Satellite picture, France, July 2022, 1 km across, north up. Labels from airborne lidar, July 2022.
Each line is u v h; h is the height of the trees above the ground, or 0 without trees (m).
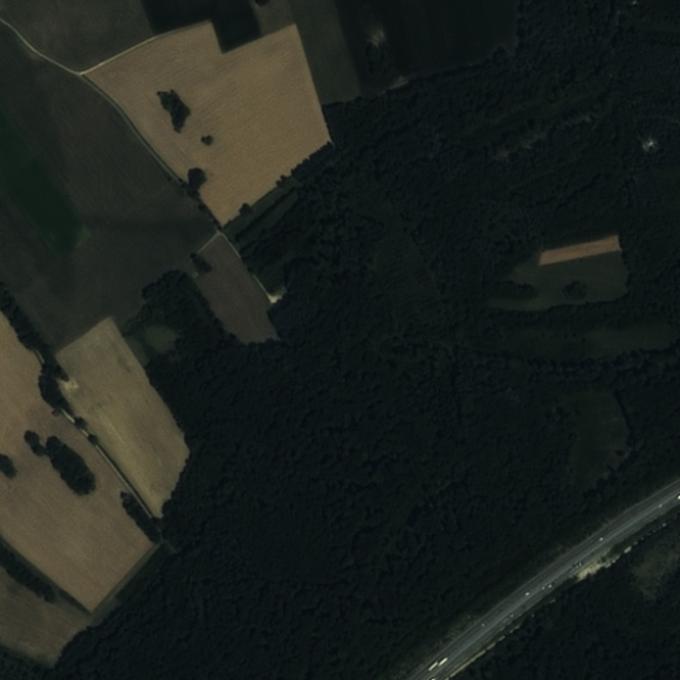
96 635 15
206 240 0
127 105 0
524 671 28
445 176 30
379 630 21
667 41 7
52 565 0
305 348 24
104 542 0
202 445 6
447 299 10
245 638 29
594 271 0
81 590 0
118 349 0
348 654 25
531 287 15
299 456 25
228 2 0
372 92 0
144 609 17
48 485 0
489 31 0
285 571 23
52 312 0
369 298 27
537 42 17
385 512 24
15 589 0
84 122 0
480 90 22
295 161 0
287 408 26
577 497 29
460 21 0
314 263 20
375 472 33
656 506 0
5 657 11
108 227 0
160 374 14
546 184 9
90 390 0
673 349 13
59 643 0
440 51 0
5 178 0
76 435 0
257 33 0
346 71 0
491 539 24
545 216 16
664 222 11
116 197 0
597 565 0
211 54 0
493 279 17
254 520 19
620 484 21
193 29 0
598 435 0
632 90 18
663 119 11
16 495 0
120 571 0
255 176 0
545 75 22
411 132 26
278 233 9
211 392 21
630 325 12
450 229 14
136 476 0
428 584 26
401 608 22
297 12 0
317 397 27
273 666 28
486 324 19
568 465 30
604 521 7
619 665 24
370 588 27
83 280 0
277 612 33
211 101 0
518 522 31
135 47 0
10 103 0
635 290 20
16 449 0
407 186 21
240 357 25
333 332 28
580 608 30
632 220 9
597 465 0
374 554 19
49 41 0
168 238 0
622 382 31
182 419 6
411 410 27
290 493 26
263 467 25
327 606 27
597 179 17
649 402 33
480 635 0
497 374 32
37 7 0
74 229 0
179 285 20
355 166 14
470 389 29
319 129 0
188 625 20
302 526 21
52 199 0
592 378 33
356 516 28
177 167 0
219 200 0
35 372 0
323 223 19
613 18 17
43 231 0
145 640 25
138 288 0
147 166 0
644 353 21
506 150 19
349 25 0
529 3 13
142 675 29
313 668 30
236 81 0
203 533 17
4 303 13
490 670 27
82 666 29
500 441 28
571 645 25
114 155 0
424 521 26
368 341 25
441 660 0
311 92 0
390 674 7
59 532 0
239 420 24
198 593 29
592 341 0
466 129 25
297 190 8
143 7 0
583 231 6
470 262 22
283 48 0
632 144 16
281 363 22
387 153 24
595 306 16
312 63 0
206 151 0
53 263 0
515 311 7
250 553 19
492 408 30
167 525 12
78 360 0
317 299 22
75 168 0
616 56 20
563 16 18
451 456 26
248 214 15
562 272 0
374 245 24
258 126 0
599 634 28
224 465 11
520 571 14
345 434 26
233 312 0
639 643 21
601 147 11
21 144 0
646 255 13
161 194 0
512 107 24
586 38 19
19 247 0
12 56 0
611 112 8
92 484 16
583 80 20
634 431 28
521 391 25
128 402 0
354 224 24
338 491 28
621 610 19
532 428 27
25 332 18
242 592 29
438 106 27
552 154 18
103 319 0
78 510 0
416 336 14
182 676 23
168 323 6
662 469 21
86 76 0
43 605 0
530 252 15
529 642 25
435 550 27
